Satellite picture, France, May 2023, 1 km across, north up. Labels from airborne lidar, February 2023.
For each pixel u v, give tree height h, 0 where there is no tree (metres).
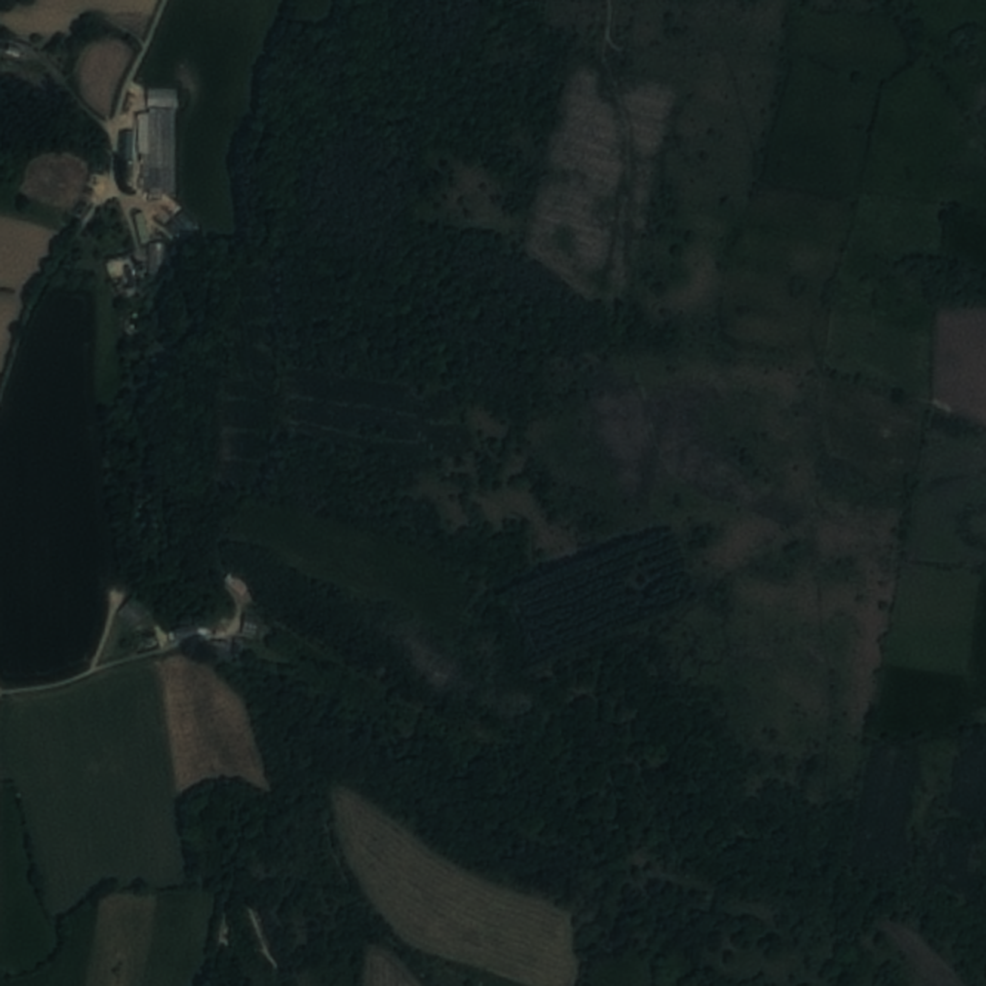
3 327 0
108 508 10
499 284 15
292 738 11
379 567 0
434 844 10
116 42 0
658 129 0
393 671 14
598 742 17
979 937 8
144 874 0
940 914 8
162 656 0
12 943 0
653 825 9
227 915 11
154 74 0
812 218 0
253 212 20
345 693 9
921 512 0
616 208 0
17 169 9
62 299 0
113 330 0
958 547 0
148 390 22
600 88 0
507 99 12
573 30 7
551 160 0
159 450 22
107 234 7
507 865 13
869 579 0
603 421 0
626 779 14
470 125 9
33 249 0
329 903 6
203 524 8
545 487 6
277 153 21
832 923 7
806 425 0
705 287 0
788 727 0
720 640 0
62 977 0
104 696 0
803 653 0
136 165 0
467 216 9
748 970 0
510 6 8
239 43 0
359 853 0
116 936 0
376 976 0
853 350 0
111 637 0
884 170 0
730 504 0
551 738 16
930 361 0
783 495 0
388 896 0
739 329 0
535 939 0
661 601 19
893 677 0
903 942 0
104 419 11
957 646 0
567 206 0
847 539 0
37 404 0
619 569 15
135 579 11
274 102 24
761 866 18
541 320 12
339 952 7
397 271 11
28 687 0
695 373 0
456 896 0
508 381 14
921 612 0
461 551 9
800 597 0
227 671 10
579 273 0
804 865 19
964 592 0
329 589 7
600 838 16
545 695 11
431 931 0
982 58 0
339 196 20
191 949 0
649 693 10
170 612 9
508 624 13
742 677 0
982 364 0
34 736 0
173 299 16
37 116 37
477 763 17
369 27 17
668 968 15
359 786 10
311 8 0
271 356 23
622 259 0
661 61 0
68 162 0
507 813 15
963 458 0
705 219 0
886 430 0
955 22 0
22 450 0
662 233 11
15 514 0
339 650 11
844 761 0
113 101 0
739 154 0
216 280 23
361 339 8
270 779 11
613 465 0
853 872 7
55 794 0
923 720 0
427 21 17
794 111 0
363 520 9
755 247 0
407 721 8
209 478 16
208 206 0
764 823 11
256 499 8
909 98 0
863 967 8
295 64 21
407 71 15
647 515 0
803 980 0
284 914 10
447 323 19
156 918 0
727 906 7
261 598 16
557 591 21
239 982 9
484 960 0
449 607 0
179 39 0
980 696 0
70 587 0
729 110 0
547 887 8
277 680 12
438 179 15
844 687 0
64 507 0
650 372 0
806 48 0
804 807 13
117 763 0
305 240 18
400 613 7
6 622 0
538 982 0
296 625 6
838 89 0
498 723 10
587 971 10
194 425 18
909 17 7
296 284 18
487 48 9
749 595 0
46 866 0
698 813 15
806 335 0
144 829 0
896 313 0
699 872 11
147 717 0
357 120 17
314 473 16
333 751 16
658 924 10
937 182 0
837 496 0
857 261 0
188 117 0
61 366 0
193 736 0
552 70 11
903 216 0
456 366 11
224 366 19
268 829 13
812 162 0
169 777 0
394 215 17
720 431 0
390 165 17
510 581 8
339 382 0
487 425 0
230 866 7
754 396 0
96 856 0
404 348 13
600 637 19
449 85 14
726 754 7
